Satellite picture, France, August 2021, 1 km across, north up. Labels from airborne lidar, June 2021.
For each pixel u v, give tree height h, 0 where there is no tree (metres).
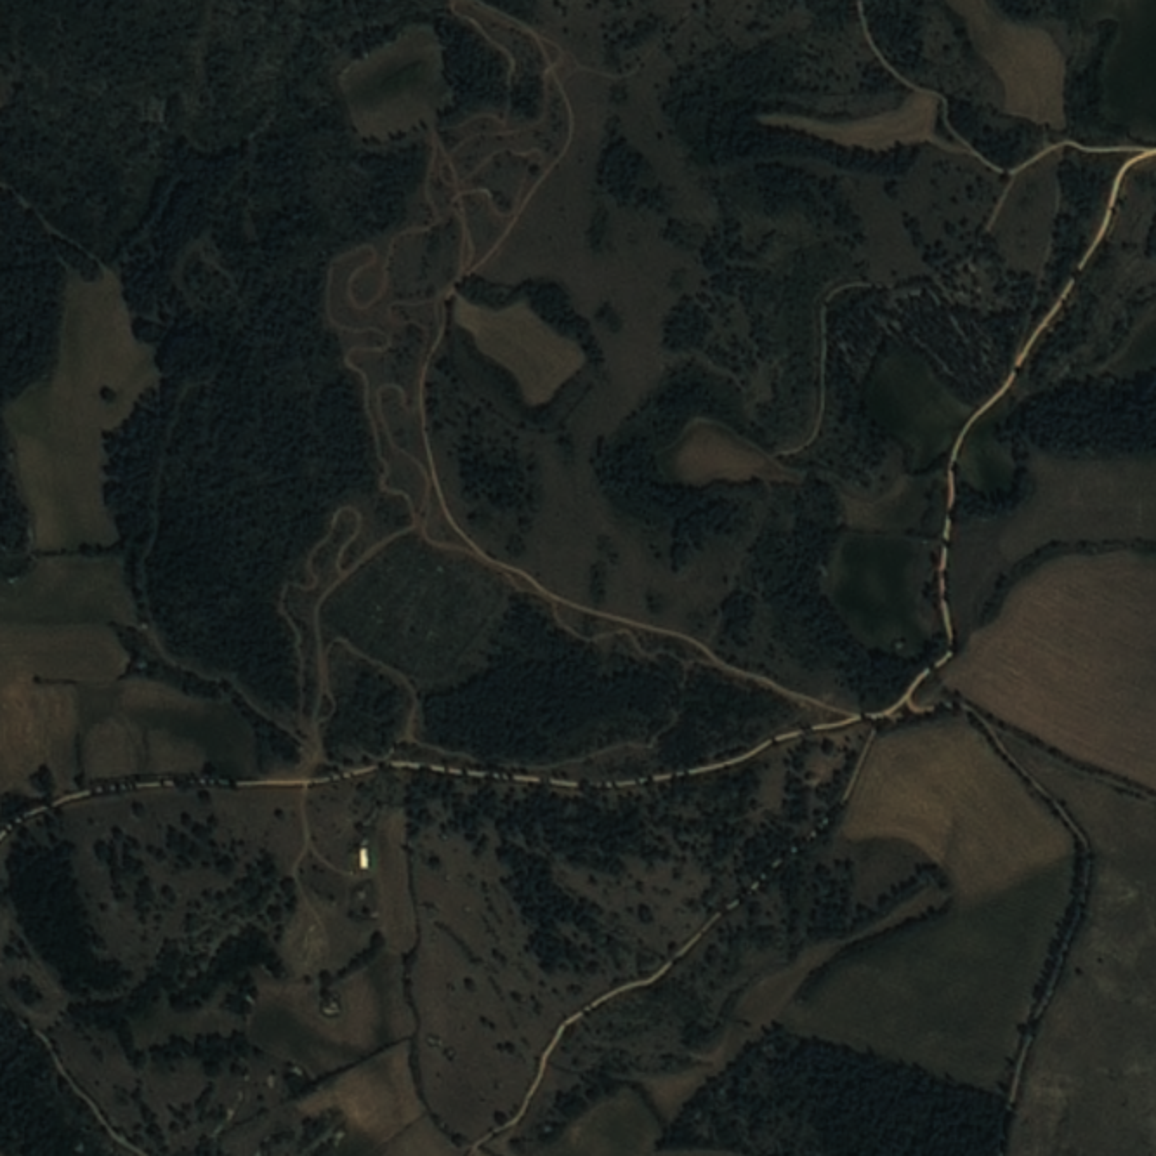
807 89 6
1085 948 0
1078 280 9
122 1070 0
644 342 0
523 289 7
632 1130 0
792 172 8
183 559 8
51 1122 8
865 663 12
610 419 0
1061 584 0
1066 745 0
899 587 0
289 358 8
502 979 0
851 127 0
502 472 10
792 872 10
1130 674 0
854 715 0
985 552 0
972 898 0
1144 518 0
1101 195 7
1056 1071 0
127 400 0
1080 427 9
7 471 11
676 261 0
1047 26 0
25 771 0
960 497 7
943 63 0
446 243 0
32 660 0
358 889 0
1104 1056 0
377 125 0
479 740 11
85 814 0
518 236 0
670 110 6
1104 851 0
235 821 0
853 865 12
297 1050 0
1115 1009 0
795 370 7
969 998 0
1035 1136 0
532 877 8
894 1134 8
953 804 0
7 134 10
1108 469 0
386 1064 0
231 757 0
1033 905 0
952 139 8
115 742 0
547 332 0
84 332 0
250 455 6
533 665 8
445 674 0
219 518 7
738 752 7
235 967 14
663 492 16
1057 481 0
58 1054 10
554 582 0
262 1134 0
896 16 6
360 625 0
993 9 0
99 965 10
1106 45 8
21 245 12
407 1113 0
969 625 0
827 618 11
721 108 11
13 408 0
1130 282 0
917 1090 8
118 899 7
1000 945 0
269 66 0
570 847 7
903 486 0
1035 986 0
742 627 7
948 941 0
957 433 0
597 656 9
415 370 0
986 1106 9
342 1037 0
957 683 0
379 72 0
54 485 0
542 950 11
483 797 7
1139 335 0
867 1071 10
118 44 7
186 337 19
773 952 0
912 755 0
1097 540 0
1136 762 0
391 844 0
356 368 0
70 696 0
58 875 8
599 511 0
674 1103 0
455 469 0
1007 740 0
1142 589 0
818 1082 8
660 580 0
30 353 14
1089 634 0
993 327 14
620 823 7
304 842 0
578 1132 0
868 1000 0
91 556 12
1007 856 0
